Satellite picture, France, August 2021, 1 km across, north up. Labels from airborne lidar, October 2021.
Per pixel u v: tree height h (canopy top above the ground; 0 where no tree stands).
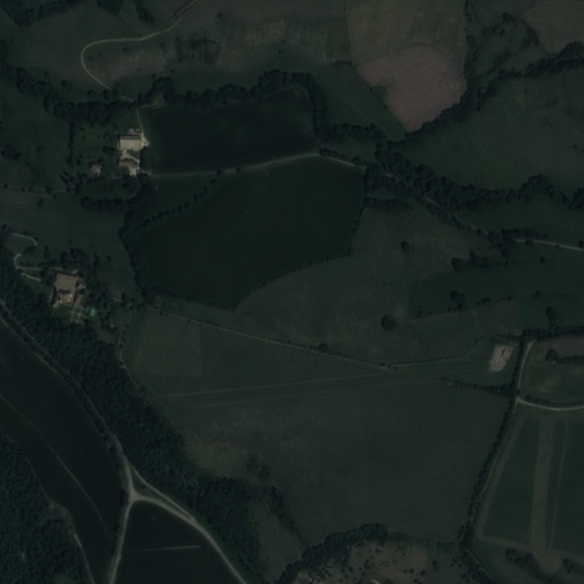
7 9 19
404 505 0
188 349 0
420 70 0
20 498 16
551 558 0
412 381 0
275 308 0
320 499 0
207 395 0
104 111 20
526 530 0
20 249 0
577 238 0
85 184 13
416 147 0
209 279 0
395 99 0
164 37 0
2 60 16
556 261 0
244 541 19
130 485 0
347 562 9
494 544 0
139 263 23
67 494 0
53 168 0
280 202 0
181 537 0
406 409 0
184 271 0
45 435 0
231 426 0
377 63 0
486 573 7
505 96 0
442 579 0
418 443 0
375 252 0
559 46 0
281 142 0
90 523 0
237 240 0
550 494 0
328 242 0
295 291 0
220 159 0
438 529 0
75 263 8
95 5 0
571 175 0
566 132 0
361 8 0
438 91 0
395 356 0
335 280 0
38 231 0
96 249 0
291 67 0
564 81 0
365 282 0
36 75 0
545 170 0
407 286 0
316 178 0
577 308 0
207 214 0
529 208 0
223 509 29
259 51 0
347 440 0
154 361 0
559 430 0
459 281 0
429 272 0
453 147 0
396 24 0
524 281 0
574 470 0
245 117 0
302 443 0
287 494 0
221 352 0
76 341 28
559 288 0
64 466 0
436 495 0
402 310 0
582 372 0
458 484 0
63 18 0
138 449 17
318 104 19
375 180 9
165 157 0
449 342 0
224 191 0
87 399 14
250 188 0
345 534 9
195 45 8
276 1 0
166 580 0
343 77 0
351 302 0
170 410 0
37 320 13
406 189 16
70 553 15
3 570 11
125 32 0
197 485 8
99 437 0
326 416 0
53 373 0
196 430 0
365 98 0
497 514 0
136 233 8
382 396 0
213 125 0
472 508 10
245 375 0
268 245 0
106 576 0
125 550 0
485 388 7
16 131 0
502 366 0
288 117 0
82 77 0
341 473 0
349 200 0
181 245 0
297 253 0
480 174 0
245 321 0
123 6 11
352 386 0
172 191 0
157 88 16
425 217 0
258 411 0
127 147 0
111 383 23
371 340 0
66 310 0
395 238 0
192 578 0
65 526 11
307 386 0
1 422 0
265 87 21
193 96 20
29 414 0
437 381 0
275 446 0
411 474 0
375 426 0
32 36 0
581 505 0
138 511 0
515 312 0
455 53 0
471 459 0
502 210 0
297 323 0
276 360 0
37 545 12
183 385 0
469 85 7
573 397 0
